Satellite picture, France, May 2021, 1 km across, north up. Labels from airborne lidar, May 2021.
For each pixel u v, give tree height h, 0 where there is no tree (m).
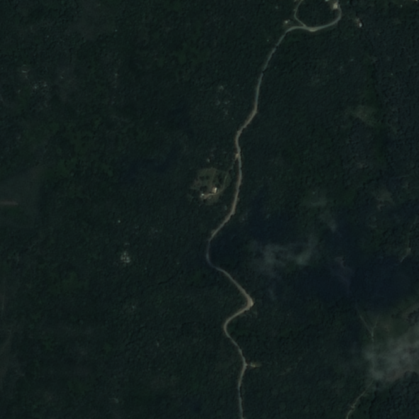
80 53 6
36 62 6
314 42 7
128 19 8
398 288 0
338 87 8
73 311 6
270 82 8
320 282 11
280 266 11
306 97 9
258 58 10
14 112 0
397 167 13
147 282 10
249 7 8
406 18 9
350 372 10
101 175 6
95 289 7
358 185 7
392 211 7
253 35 7
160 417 7
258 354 7
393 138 13
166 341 10
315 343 11
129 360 8
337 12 14
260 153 7
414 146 14
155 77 7
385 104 9
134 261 6
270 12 7
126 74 6
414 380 14
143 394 7
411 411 10
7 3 8
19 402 7
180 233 6
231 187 8
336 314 15
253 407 10
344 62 9
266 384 8
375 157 9
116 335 9
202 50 8
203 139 7
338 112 11
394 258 10
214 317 11
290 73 12
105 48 6
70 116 6
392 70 14
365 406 11
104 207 6
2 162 6
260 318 10
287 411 12
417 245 9
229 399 8
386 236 12
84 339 7
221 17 9
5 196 0
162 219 8
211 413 8
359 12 16
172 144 7
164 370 6
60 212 7
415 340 0
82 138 6
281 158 7
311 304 12
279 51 10
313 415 10
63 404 6
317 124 7
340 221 12
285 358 9
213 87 8
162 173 6
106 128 7
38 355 6
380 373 16
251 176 7
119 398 8
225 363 13
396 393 6
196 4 9
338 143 8
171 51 6
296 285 10
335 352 9
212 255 8
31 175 0
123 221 10
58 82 0
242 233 6
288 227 8
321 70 7
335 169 10
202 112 5
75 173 6
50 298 5
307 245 8
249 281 11
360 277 17
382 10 9
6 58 9
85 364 6
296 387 9
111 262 7
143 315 8
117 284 8
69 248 8
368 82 10
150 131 10
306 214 8
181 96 9
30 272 8
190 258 10
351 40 8
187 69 10
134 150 10
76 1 8
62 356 7
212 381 9
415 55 10
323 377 11
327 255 10
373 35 10
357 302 8
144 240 7
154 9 9
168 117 6
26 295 6
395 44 11
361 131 13
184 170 6
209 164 14
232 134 10
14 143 6
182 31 8
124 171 7
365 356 11
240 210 7
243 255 7
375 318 0
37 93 6
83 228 6
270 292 10
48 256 9
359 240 9
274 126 8
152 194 8
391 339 0
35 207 0
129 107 7
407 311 0
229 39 7
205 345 10
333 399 10
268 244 11
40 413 7
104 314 8
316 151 8
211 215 7
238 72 11
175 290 10
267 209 7
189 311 10
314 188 11
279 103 9
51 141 6
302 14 7
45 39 7
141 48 7
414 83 13
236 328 9
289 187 10
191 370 8
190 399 9
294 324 9
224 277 11
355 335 11
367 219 12
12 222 0
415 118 14
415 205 11
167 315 7
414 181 9
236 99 9
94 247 6
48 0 11
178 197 8
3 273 0
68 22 8
